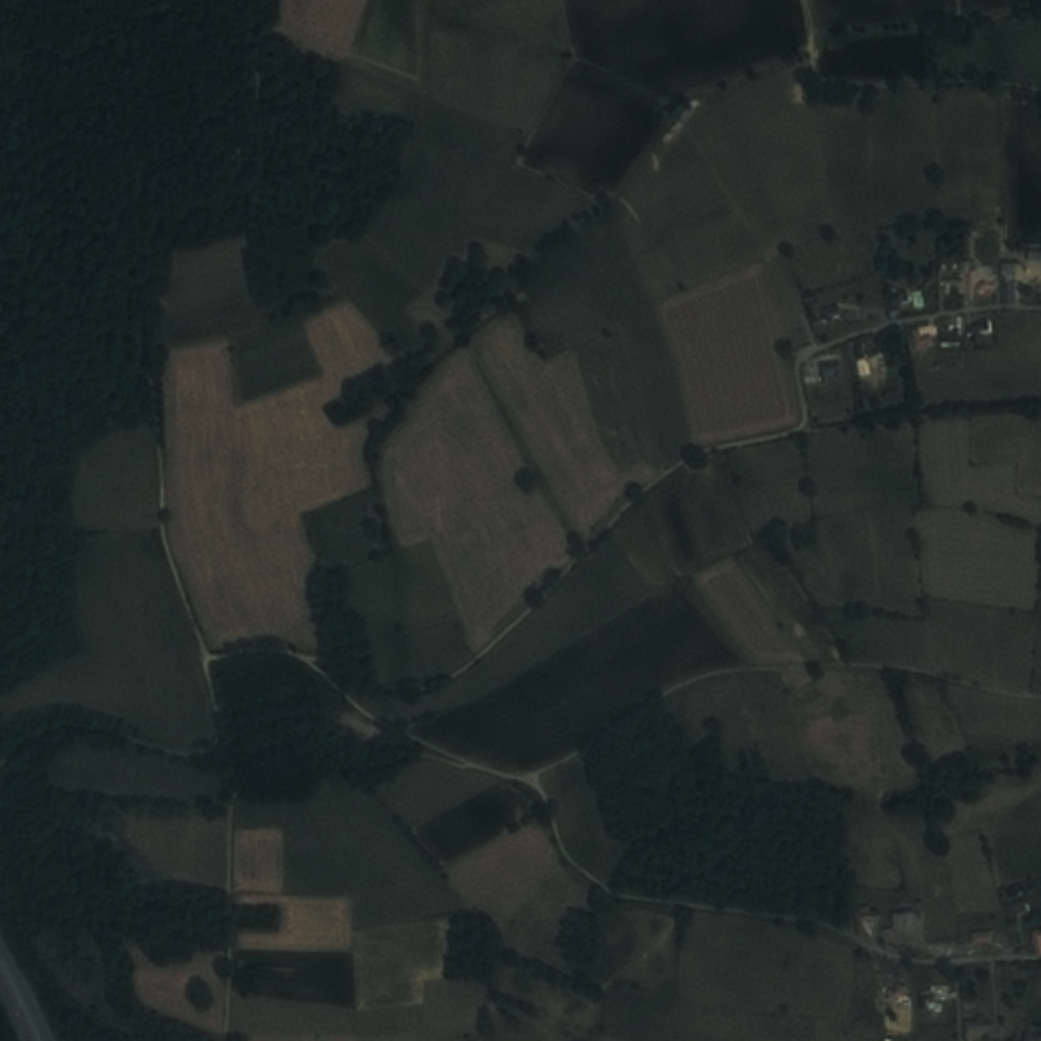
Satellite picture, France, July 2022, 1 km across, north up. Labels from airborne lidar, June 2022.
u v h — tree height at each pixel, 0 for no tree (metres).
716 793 28
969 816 0
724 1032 0
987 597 0
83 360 24
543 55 0
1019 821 0
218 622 0
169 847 0
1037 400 13
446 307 18
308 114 23
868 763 0
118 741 14
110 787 0
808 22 0
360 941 0
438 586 0
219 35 25
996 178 0
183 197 22
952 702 0
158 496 0
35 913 26
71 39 16
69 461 26
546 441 0
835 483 0
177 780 0
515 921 0
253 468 0
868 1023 0
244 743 16
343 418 17
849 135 0
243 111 21
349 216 17
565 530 0
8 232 32
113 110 26
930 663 0
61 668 0
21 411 26
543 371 0
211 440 0
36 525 23
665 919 0
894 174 0
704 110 0
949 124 0
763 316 0
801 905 22
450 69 0
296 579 0
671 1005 0
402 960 0
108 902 21
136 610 0
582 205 0
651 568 0
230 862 0
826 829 25
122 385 18
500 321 0
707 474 0
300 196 25
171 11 9
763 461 0
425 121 0
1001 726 0
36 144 27
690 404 0
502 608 0
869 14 0
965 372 0
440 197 0
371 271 0
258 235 16
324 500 0
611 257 0
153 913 22
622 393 0
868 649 0
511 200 0
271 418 0
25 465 27
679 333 0
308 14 0
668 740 22
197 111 20
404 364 16
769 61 0
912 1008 0
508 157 0
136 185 24
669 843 28
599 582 0
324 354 0
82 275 17
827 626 8
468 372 0
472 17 0
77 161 28
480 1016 11
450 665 0
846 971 0
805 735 0
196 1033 6
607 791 23
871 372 0
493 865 0
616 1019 0
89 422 27
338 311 0
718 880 24
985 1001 0
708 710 0
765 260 0
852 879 22
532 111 0
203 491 0
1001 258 0
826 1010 0
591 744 19
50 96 29
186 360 0
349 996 0
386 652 0
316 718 23
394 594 0
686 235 0
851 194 0
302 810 0
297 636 0
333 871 0
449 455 0
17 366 23
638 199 0
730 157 0
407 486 0
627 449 0
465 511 0
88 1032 19
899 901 0
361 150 24
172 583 0
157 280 21
